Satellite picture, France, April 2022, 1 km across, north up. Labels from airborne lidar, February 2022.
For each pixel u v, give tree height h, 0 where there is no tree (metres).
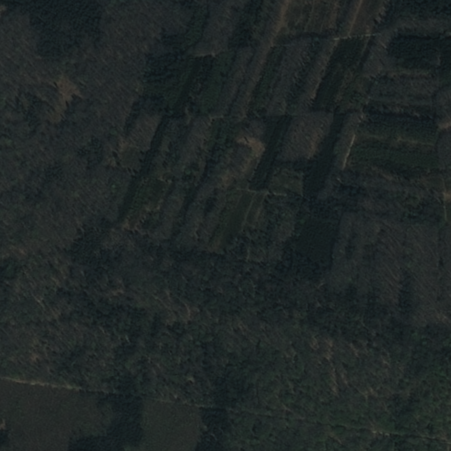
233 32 29
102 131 27
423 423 28
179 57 10
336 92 8
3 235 29
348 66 6
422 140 27
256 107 8
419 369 15
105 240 20
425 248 38
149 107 31
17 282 29
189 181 15
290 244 13
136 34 28
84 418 20
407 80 26
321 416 27
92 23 29
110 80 31
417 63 15
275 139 9
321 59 33
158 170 23
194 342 28
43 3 22
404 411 15
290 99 31
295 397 27
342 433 24
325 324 11
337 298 14
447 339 25
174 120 21
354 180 28
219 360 28
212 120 28
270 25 30
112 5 29
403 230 34
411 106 8
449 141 30
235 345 32
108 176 33
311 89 34
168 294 27
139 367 27
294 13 0
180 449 14
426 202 17
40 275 26
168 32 30
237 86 29
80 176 29
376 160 8
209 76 15
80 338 31
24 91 31
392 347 28
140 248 22
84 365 29
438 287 36
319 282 25
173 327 11
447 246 33
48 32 26
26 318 32
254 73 31
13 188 27
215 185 28
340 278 30
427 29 26
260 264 10
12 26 26
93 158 26
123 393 24
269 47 27
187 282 26
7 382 11
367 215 26
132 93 29
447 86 8
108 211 32
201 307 26
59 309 29
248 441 28
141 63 32
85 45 27
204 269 23
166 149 0
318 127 33
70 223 29
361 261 27
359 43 8
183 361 28
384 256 34
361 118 29
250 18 18
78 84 26
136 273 30
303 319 7
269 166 8
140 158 0
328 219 26
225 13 34
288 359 26
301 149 29
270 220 0
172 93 12
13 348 30
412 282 32
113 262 24
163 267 26
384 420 31
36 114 25
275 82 25
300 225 20
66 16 28
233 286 19
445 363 16
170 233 25
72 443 16
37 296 29
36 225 27
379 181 24
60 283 32
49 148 27
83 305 31
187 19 34
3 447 15
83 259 20
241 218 0
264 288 21
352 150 22
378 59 31
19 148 27
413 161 13
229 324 27
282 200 28
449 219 0
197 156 28
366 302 26
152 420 15
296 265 28
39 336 28
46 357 29
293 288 21
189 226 29
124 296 21
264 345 30
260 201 0
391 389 31
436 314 35
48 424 11
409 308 33
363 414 24
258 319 29
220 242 0
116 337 36
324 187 9
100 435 18
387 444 31
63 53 24
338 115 14
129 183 28
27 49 27
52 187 26
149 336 22
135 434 23
